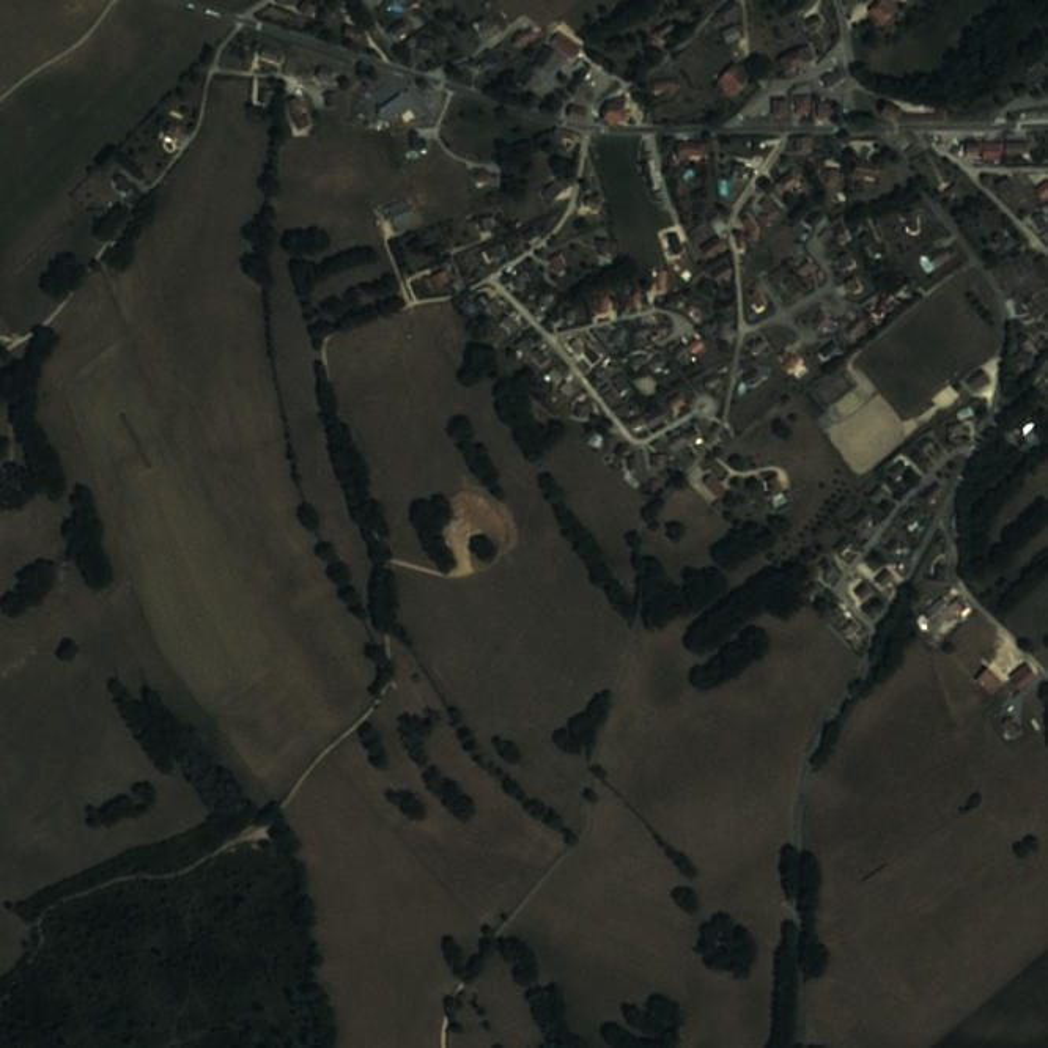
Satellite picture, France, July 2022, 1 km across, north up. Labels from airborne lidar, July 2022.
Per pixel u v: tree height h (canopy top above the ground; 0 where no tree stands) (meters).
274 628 0
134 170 16
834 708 0
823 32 0
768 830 0
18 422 15
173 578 0
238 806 23
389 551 12
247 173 0
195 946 9
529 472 0
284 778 0
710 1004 0
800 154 0
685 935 0
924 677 0
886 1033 0
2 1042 6
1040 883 0
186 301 0
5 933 0
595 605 0
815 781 0
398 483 0
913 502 0
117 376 0
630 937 0
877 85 16
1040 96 15
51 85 0
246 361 0
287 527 0
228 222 0
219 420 0
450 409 0
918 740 0
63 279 18
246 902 20
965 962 0
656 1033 17
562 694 0
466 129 0
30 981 6
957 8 0
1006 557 11
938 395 0
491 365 13
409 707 0
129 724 13
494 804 0
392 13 0
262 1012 23
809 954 20
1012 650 0
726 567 19
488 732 0
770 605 18
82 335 0
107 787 0
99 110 0
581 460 0
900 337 0
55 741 0
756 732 0
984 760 0
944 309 0
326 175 0
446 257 6
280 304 0
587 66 7
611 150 0
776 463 0
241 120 0
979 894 0
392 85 0
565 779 0
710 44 0
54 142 0
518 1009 0
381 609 18
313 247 16
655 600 15
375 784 0
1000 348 0
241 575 0
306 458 0
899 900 0
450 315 0
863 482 0
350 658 0
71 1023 6
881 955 0
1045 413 13
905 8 10
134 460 0
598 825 0
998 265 19
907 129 0
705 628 19
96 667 0
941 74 7
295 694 0
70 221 0
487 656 0
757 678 0
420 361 0
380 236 0
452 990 0
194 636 0
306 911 23
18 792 0
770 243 0
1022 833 0
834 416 0
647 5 21
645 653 0
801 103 0
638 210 0
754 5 0
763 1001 0
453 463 0
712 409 0
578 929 0
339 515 0
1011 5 21
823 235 0
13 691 0
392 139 0
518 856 0
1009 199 0
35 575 15
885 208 11
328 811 0
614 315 0
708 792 0
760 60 14
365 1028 0
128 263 10
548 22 0
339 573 21
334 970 0
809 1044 0
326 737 0
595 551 13
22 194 0
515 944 15
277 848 6
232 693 0
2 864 0
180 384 0
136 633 0
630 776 0
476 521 0
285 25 9
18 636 0
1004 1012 0
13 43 0
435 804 0
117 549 0
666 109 0
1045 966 0
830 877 0
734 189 0
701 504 0
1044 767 0
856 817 0
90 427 0
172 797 0
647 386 0
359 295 17
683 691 0
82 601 0
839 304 0
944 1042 0
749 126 0
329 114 0
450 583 0
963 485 8
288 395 0
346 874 0
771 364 0
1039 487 0
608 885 0
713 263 10
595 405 0
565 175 14
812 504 0
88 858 0
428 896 0
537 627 0
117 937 18
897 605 11
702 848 0
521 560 0
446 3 0
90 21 0
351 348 0
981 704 0
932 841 0
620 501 0
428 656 0
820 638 0
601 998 0
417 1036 0
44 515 0
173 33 0
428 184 0
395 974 0
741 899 0
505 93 14
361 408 0
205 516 0
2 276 0
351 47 17
